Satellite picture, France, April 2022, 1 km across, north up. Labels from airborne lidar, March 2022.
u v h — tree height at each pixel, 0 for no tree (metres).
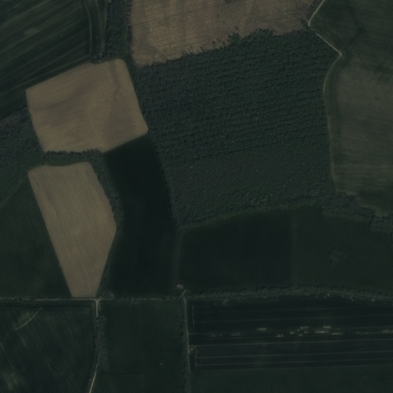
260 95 12
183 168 18
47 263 0
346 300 0
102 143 0
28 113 14
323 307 0
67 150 0
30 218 0
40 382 0
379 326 0
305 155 13
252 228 0
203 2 0
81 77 0
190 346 0
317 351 0
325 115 11
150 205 0
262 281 0
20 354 0
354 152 0
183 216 6
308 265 0
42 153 11
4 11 0
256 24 0
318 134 11
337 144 0
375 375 0
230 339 0
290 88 13
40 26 0
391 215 0
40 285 0
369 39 0
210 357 0
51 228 0
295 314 0
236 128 13
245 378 0
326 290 13
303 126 13
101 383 0
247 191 14
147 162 0
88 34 0
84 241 0
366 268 0
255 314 0
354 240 0
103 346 14
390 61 0
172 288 0
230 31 0
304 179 15
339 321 0
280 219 0
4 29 0
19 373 0
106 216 0
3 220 0
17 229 0
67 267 0
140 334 0
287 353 0
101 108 0
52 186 0
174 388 0
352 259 0
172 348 0
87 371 0
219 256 0
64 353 0
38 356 0
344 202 20
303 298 0
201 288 0
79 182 0
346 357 0
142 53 0
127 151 0
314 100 13
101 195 0
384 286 0
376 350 0
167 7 0
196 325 0
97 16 0
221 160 12
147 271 0
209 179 12
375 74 0
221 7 0
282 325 0
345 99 0
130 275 0
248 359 0
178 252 0
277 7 0
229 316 0
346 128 0
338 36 0
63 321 0
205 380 0
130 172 0
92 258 0
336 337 0
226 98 16
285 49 12
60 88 0
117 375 0
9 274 0
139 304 0
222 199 12
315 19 0
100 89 0
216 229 0
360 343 0
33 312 0
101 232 0
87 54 0
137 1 0
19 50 0
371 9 0
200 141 13
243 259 0
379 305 0
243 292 13
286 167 14
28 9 0
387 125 0
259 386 0
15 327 0
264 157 12
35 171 0
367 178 0
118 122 0
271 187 13
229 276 0
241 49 10
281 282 0
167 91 14
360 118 0
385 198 0
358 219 13
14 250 0
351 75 0
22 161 12
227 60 13
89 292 0
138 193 0
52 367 0
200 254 0
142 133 0
